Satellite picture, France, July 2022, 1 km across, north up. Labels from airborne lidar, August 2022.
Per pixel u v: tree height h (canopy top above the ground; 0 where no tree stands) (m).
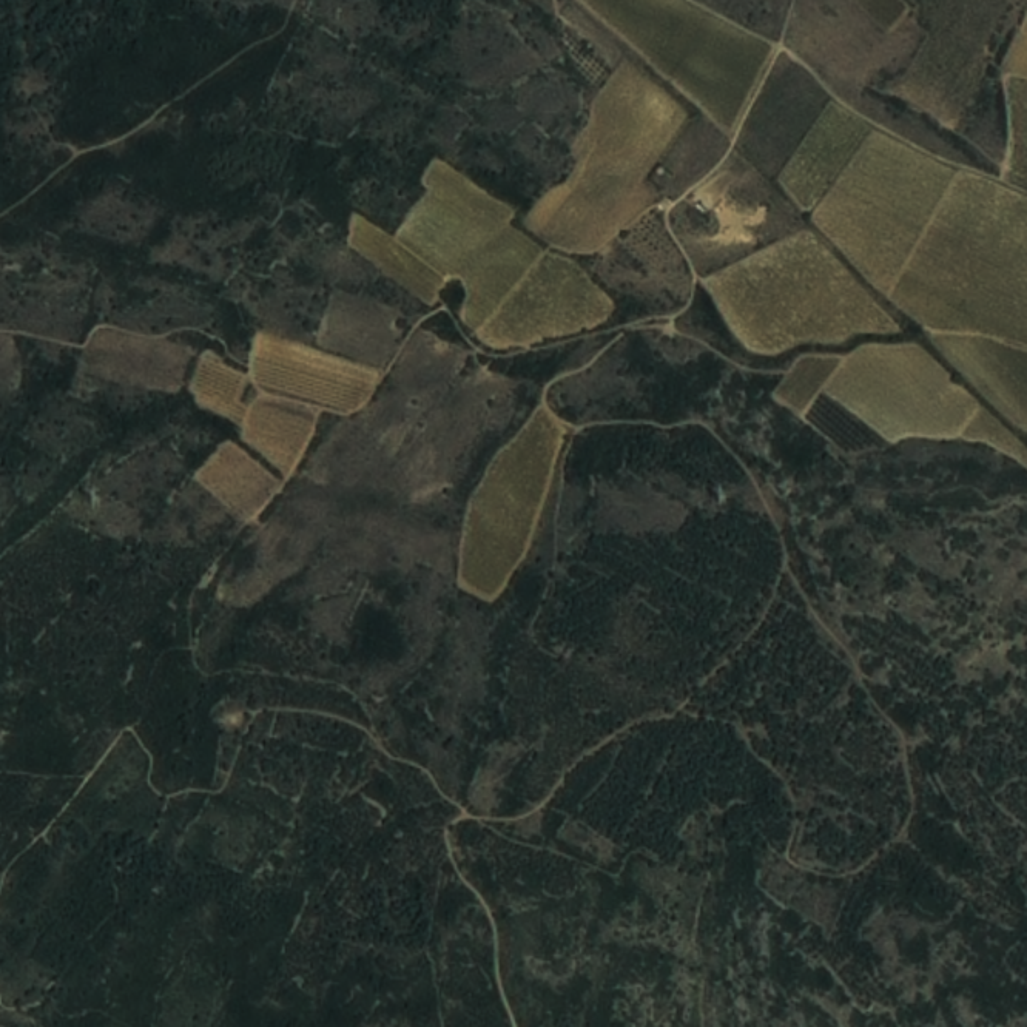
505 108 0
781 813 7
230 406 0
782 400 0
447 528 0
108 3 9
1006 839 6
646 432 9
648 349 0
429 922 9
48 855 8
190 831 0
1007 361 0
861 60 0
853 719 8
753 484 0
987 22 0
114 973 0
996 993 0
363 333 0
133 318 0
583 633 8
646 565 8
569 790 6
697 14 0
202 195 0
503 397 0
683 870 8
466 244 0
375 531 0
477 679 0
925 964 0
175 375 0
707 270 0
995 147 0
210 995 0
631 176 0
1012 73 0
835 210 0
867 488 0
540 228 0
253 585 0
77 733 0
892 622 6
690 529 7
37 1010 7
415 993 0
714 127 0
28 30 13
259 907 8
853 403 0
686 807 12
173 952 0
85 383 0
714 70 0
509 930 0
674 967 0
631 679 8
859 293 0
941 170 0
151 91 0
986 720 6
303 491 0
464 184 0
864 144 0
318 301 8
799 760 7
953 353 0
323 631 0
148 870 8
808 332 0
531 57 0
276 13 0
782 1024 0
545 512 0
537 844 0
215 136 6
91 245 0
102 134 0
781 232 0
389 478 0
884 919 0
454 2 8
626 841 8
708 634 12
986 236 0
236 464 0
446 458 0
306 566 0
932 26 0
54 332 0
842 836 10
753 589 7
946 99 0
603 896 0
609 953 0
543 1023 0
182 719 11
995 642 0
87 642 8
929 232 0
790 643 8
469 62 0
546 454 0
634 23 0
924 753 8
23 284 0
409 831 9
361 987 0
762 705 8
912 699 6
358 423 0
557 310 0
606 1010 0
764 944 0
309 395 0
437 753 0
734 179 0
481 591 0
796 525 0
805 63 0
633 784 6
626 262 0
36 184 0
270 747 9
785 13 0
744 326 0
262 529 0
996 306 0
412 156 10
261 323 0
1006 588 0
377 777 0
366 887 5
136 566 10
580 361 0
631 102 0
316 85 6
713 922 0
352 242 0
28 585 7
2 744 0
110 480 0
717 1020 0
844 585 9
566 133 0
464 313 0
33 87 0
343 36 7
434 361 0
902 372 0
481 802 0
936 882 7
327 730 8
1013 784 6
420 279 0
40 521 0
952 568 0
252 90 0
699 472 7
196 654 0
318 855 8
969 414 0
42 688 0
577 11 0
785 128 0
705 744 9
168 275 0
